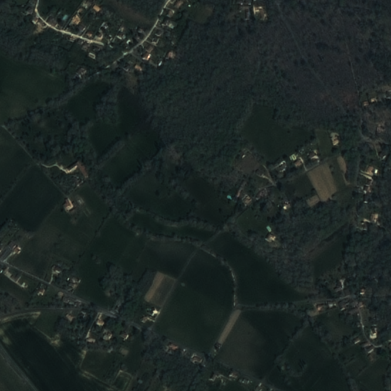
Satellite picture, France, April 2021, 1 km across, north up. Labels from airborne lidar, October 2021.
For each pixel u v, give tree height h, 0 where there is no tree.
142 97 25
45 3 0
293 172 18
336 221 18
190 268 0
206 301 0
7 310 15
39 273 0
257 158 18
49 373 0
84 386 0
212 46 18
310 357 0
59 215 0
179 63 15
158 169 24
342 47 10
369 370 0
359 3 12
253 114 0
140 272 0
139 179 18
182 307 0
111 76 16
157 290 0
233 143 15
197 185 0
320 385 0
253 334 0
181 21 8
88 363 0
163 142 19
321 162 14
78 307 13
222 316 0
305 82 15
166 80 21
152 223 0
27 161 0
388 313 14
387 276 23
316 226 20
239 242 18
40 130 0
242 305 0
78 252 0
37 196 0
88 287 0
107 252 0
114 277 15
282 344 0
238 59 13
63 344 0
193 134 15
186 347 0
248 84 13
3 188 0
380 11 19
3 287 0
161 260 0
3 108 0
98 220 0
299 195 0
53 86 0
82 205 0
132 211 12
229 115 16
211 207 0
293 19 21
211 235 0
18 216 0
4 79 0
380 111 16
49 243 0
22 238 11
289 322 0
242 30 17
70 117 16
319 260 0
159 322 0
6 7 26
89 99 0
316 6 19
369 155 20
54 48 16
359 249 21
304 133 0
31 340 0
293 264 17
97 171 9
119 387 0
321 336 22
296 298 0
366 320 7
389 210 12
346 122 10
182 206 0
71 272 10
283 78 16
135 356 0
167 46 6
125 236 0
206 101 19
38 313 0
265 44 14
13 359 0
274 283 0
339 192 0
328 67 11
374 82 17
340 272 13
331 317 0
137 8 19
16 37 8
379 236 17
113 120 31
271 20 17
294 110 13
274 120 13
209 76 18
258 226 0
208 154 29
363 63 14
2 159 0
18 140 12
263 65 13
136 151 0
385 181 17
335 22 22
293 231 16
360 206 10
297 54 13
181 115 16
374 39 21
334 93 11
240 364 0
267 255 14
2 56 0
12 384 0
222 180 13
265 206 17
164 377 23
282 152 0
